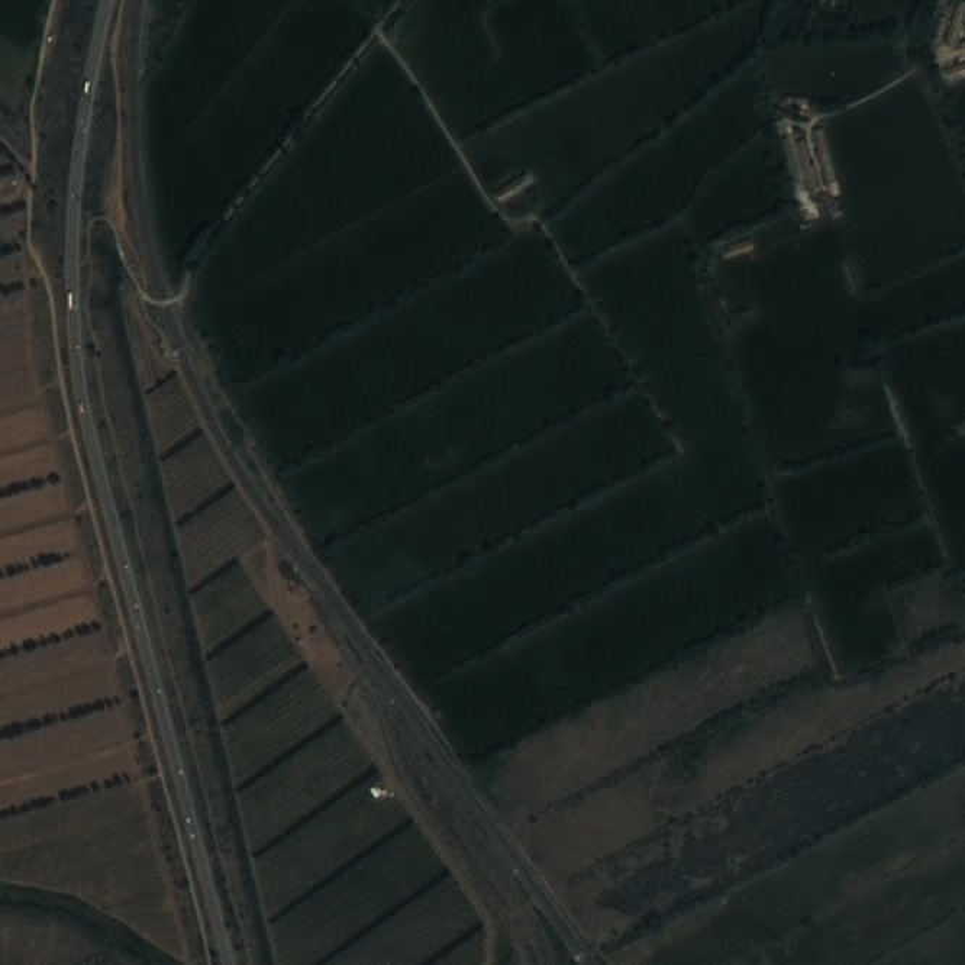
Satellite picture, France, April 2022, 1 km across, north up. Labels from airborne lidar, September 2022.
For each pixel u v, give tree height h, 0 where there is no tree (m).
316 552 7
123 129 0
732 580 0
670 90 0
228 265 0
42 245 0
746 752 0
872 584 0
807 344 0
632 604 0
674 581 0
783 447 0
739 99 0
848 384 0
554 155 0
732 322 6
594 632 0
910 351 0
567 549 0
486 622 0
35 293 0
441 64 0
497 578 0
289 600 0
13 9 0
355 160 0
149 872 0
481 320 0
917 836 0
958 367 0
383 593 0
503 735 0
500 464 8
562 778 0
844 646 0
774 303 0
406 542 0
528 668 0
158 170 0
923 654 6
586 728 0
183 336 0
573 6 7
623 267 0
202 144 0
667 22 0
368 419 9
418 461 0
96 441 0
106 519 0
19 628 0
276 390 0
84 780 0
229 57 0
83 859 0
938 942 0
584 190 9
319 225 0
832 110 11
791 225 0
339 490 0
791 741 0
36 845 0
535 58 0
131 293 0
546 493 0
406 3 9
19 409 0
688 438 0
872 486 0
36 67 0
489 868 0
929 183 0
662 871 0
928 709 0
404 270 0
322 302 0
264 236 0
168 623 0
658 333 0
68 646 0
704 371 0
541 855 0
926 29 11
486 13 6
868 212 0
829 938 0
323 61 0
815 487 0
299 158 0
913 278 0
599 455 0
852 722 0
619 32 0
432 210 0
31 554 0
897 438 6
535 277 0
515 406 0
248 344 0
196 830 0
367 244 0
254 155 0
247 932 0
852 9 6
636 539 0
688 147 0
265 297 0
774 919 0
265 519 0
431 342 0
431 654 0
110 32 0
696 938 0
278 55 0
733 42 0
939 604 0
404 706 0
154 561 0
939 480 0
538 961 0
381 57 0
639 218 0
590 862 0
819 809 0
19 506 0
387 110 0
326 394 0
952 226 0
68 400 0
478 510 0
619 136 0
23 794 0
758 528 0
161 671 0
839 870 0
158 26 7
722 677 0
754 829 0
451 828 0
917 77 0
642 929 9
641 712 0
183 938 0
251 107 0
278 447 0
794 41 9
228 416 0
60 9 0
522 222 0
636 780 0
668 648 0
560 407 0
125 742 0
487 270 0
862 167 0
